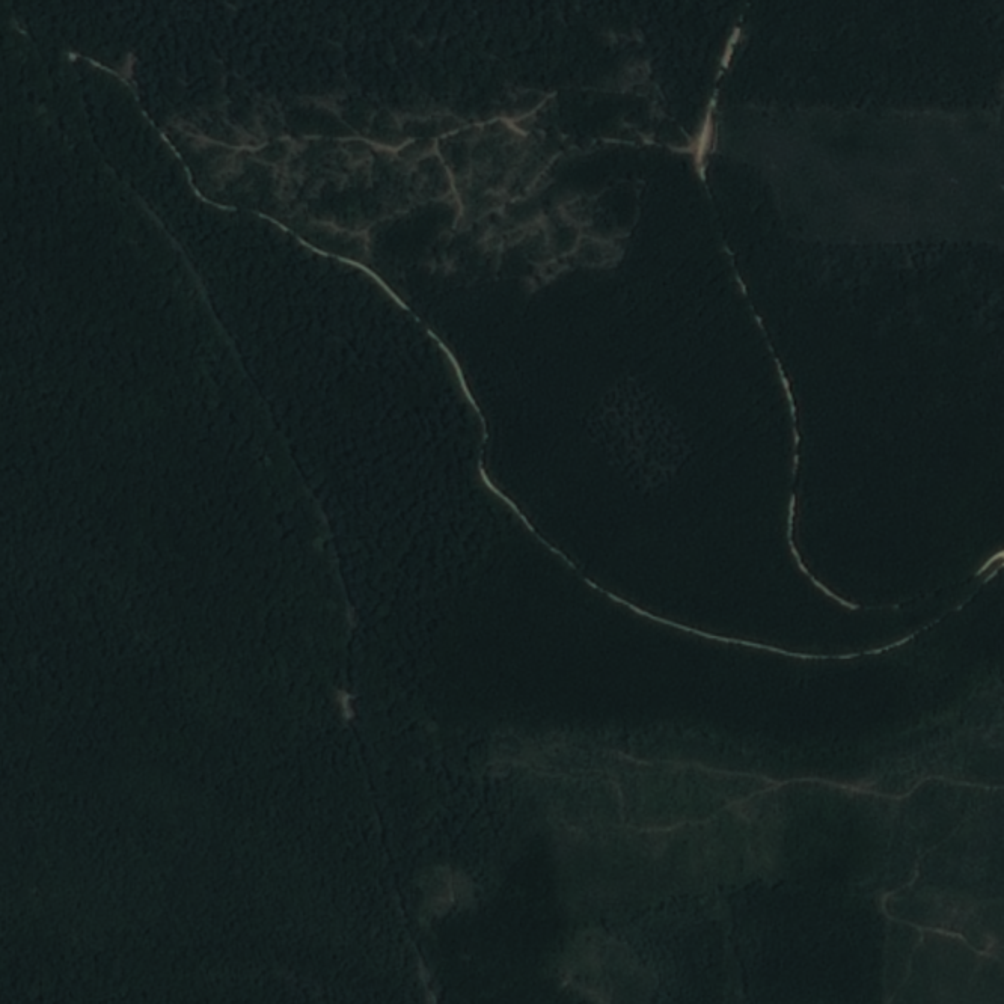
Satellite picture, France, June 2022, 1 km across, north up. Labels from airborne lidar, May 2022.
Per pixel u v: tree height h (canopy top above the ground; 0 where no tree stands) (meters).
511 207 8
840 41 13
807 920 11
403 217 7
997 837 0
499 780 9
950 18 12
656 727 13
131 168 24
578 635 14
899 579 13
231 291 20
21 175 25
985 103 13
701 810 7
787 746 17
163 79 26
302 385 22
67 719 14
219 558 20
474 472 8
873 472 12
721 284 12
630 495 14
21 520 17
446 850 15
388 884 18
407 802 22
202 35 25
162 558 21
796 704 13
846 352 11
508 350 12
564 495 17
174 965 19
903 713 19
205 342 21
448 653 15
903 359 11
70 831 12
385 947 10
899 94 12
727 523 11
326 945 9
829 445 12
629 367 12
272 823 13
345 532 20
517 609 18
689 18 9
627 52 6
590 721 14
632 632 13
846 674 15
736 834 0
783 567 10
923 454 13
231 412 14
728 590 11
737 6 16
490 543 16
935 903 0
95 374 19
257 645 21
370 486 24
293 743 19
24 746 12
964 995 0
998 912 0
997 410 12
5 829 14
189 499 22
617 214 8
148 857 15
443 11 15
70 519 21
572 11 22
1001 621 17
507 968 9
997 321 13
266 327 22
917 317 18
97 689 19
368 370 16
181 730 13
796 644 12
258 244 22
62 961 18
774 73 15
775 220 13
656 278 13
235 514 26
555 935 7
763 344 13
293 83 24
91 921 11
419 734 23
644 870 0
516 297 9
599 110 7
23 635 19
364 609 26
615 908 0
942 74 15
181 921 10
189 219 23
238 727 16
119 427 19
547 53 22
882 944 13
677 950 10
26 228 25
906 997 0
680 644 13
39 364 22
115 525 22
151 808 13
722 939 10
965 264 18
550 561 15
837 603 10
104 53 17
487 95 13
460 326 14
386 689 19
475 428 7
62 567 16
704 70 16
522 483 11
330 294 19
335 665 22
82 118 17
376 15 15
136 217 15
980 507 15
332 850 16
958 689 15
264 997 15
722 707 14
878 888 0
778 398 9
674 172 9
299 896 9
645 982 0
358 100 12
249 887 11
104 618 15
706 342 12
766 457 11
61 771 13
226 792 15
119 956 20
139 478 17
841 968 13
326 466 17
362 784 19
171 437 23
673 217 13
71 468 22
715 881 0
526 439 11
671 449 12
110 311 22
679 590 13
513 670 14
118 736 21
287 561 19
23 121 19
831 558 10
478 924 11
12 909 12
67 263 23
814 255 14
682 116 15
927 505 14
